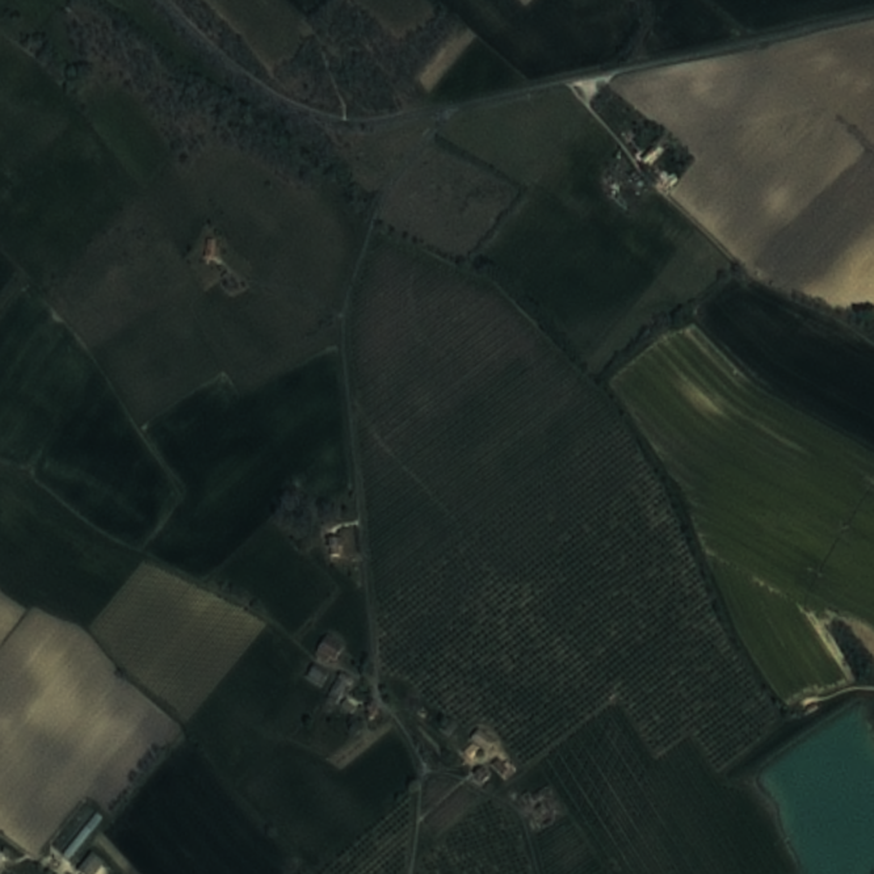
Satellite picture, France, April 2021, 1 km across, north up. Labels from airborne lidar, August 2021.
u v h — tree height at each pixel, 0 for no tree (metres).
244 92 17
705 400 0
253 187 0
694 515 0
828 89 0
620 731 5
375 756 0
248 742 0
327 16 13
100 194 0
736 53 0
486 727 0
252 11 0
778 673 0
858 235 0
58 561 0
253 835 0
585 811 6
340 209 0
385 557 5
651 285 0
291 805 0
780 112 0
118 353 0
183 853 0
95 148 0
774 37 0
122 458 0
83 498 0
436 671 6
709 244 0
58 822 0
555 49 0
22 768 0
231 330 0
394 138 0
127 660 0
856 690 0
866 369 0
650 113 0
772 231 0
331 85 10
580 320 0
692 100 0
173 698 0
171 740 0
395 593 5
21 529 0
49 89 0
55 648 0
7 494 0
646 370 0
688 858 5
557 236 0
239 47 16
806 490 0
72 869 0
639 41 15
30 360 0
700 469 0
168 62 9
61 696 0
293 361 0
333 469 0
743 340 0
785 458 0
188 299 0
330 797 0
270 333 0
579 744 6
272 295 0
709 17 0
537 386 5
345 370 0
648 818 6
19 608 0
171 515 0
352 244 0
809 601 0
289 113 16
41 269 0
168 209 0
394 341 6
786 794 0
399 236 9
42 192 0
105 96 0
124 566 0
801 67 0
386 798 0
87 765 0
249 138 21
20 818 0
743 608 0
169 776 0
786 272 0
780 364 0
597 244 0
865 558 0
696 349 0
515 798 0
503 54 0
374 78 13
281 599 0
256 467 0
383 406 5
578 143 0
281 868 0
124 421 0
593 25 0
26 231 0
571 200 0
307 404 0
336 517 19
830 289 0
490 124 0
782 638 0
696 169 0
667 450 0
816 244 0
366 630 0
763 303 0
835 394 0
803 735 0
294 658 0
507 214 6
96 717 0
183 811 0
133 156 0
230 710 0
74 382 0
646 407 0
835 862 0
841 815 0
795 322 0
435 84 0
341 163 8
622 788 6
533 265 0
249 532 0
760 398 0
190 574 0
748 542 0
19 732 0
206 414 0
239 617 0
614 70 0
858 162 0
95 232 0
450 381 6
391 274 6
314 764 0
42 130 0
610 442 6
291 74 7
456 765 11
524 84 0
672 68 0
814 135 0
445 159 0
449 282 6
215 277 0
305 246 0
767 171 0
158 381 0
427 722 0
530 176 0
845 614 0
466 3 0
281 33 0
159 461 0
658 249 0
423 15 0
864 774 0
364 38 9
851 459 0
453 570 6
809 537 0
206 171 0
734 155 0
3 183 0
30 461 0
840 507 0
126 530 0
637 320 0
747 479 0
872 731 0
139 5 0
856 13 0
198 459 0
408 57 15
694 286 0
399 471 5
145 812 0
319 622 0
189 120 12
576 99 0
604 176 0
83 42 10
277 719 0
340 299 0
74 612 0
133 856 0
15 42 0
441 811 6
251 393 0
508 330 6
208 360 0
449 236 0
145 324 0
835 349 0
